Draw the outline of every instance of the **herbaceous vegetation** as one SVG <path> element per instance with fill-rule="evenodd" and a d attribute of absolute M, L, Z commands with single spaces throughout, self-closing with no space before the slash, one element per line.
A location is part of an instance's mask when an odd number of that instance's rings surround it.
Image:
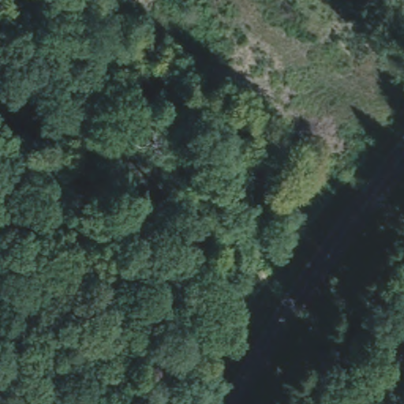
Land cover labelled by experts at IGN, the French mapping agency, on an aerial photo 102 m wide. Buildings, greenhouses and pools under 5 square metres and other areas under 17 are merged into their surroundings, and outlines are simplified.
<path fill-rule="evenodd" d="M 322 137 L 327 142 L 327 147 L 331 148 L 331 153 L 335 155 L 341 153 L 344 147 L 344 137 L 352 134 L 353 139 L 358 140 L 368 137 L 365 128 L 372 120 L 377 120 L 383 126 L 393 123 L 390 106 L 382 93 L 377 85 L 377 74 L 387 68 L 390 63 L 388 55 L 393 54 L 390 50 L 382 50 L 380 54 L 376 54 L 366 46 L 365 41 L 357 33 L 353 32 L 352 22 L 342 21 L 349 0 L 137 0 L 145 8 L 142 24 L 153 25 L 153 22 L 159 21 L 164 25 L 175 22 L 194 38 L 205 41 L 208 49 L 221 52 L 226 58 L 232 58 L 230 66 L 235 71 L 245 74 L 249 82 L 265 90 L 270 106 L 275 107 L 284 117 L 286 126 L 290 128 L 295 117 L 305 118 L 311 125 L 312 134 Z"/>

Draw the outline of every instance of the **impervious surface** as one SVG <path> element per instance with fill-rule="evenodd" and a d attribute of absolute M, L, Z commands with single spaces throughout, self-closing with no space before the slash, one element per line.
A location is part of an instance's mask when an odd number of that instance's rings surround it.
<path fill-rule="evenodd" d="M 366 147 L 355 159 L 357 172 L 352 180 L 328 178 L 327 183 L 335 194 L 328 193 L 327 189 L 322 188 L 320 193 L 309 200 L 308 205 L 300 207 L 301 213 L 306 215 L 306 221 L 297 229 L 298 243 L 292 249 L 289 262 L 286 265 L 278 265 L 268 278 L 262 279 L 259 276 L 254 279 L 251 294 L 246 295 L 246 309 L 249 312 L 248 350 L 240 358 L 223 357 L 224 382 L 230 385 L 230 391 L 224 396 L 223 404 L 290 404 L 290 393 L 294 390 L 303 391 L 306 382 L 301 379 L 300 374 L 292 374 L 286 368 L 284 355 L 290 347 L 305 338 L 306 328 L 312 325 L 312 317 L 309 314 L 316 311 L 314 301 L 319 297 L 317 284 L 327 276 L 333 275 L 333 271 L 338 270 L 339 265 L 344 262 L 344 256 L 341 254 L 342 241 L 349 235 L 363 234 L 368 227 L 376 227 L 382 221 L 388 221 L 388 213 L 393 210 L 395 200 L 404 199 L 404 80 L 401 84 L 391 85 L 382 93 L 390 106 L 393 123 L 383 126 L 377 120 L 372 120 L 365 128 L 368 137 L 374 139 L 374 145 Z"/>

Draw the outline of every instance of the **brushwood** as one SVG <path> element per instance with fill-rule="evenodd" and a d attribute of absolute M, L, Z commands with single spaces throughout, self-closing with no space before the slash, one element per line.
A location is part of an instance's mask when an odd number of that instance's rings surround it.
<path fill-rule="evenodd" d="M 368 137 L 358 140 L 353 139 L 352 134 L 344 137 L 344 147 L 341 153 L 335 155 L 335 166 L 331 167 L 328 178 L 352 180 L 357 172 L 355 159 L 366 147 L 374 145 L 374 139 Z"/>

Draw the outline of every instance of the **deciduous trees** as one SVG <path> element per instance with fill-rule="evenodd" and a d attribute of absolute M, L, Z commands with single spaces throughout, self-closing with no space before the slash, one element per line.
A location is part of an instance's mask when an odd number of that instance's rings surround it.
<path fill-rule="evenodd" d="M 382 50 L 390 50 L 393 54 L 388 55 L 390 63 L 387 68 L 377 74 L 377 85 L 382 93 L 391 85 L 401 84 L 404 80 L 404 0 L 349 0 L 342 21 L 352 22 L 353 32 L 357 33 L 365 41 L 366 46 L 376 54 L 380 54 Z"/>
<path fill-rule="evenodd" d="M 404 404 L 404 199 L 395 200 L 393 210 L 388 213 L 388 221 L 382 221 L 376 227 L 368 227 L 363 234 L 349 235 L 342 241 L 341 254 L 344 256 L 344 262 L 339 265 L 338 270 L 333 271 L 333 275 L 327 276 L 317 284 L 319 297 L 314 301 L 316 311 L 309 314 L 312 317 L 312 325 L 306 328 L 305 338 L 290 347 L 284 355 L 286 368 L 292 374 L 300 374 L 301 379 L 306 382 L 303 391 L 294 390 L 290 393 L 290 404 Z"/>
<path fill-rule="evenodd" d="M 306 215 L 301 213 L 300 207 L 308 205 L 309 200 L 320 193 L 322 188 L 327 189 L 328 193 L 335 194 L 327 183 L 328 178 L 331 167 L 335 166 L 335 155 L 331 153 L 331 148 L 327 147 L 327 142 L 322 137 L 312 134 L 311 125 L 305 118 L 295 117 L 290 128 L 286 126 L 284 117 L 275 107 L 270 106 L 265 90 L 249 82 L 245 74 L 235 71 L 230 66 L 232 58 L 226 58 L 221 52 L 208 49 L 205 41 L 194 38 L 175 22 L 164 25 L 159 21 L 153 22 L 153 25 L 142 24 L 145 8 L 137 0 L 0 0 L 0 404 L 223 404 L 224 396 L 230 391 L 230 385 L 224 382 L 223 357 L 240 358 L 248 350 L 249 312 L 246 309 L 246 295 L 251 294 L 254 279 L 259 276 L 262 279 L 268 278 L 278 265 L 286 265 L 289 262 L 292 249 L 298 243 L 297 229 L 306 221 Z"/>

